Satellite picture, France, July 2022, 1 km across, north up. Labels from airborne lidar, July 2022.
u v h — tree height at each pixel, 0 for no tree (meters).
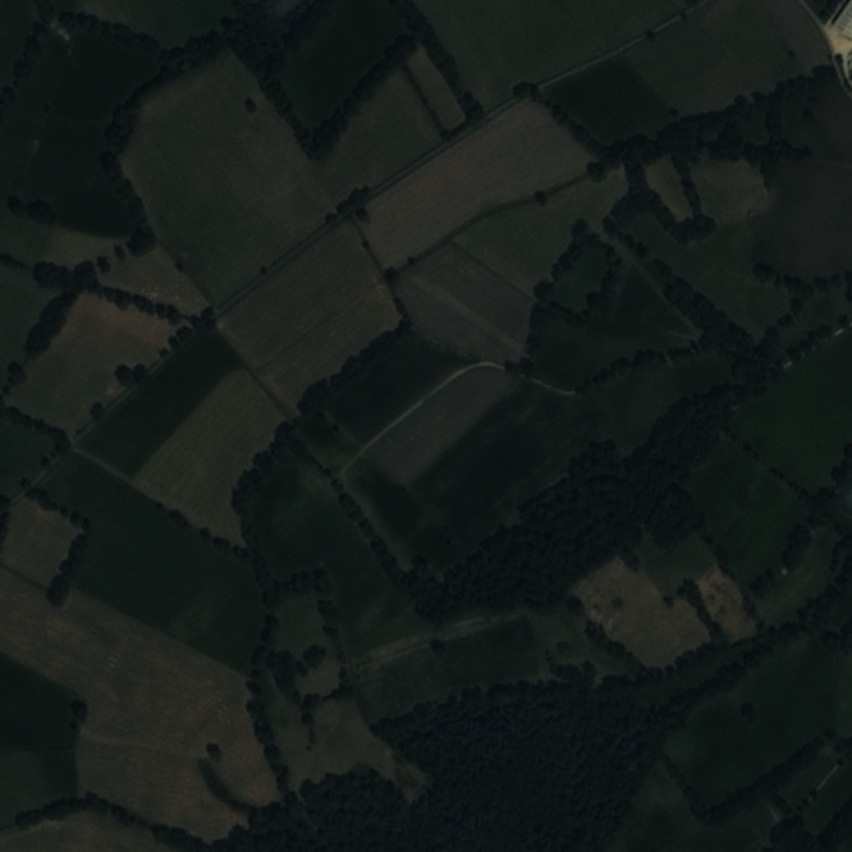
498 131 0
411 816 13
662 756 10
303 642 0
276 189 0
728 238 0
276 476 0
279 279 0
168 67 20
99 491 0
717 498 0
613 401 0
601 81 0
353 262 0
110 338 0
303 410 20
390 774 0
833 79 20
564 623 0
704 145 27
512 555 19
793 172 0
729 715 0
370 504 0
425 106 6
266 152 0
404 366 0
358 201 14
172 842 19
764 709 0
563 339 0
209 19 0
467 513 0
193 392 0
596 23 0
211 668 0
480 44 0
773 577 16
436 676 0
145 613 0
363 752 0
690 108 0
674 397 0
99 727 0
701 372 0
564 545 21
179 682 0
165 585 0
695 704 12
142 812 0
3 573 0
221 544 13
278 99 19
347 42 0
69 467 0
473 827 22
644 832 0
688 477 23
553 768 17
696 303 20
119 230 0
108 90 0
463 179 0
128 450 0
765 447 0
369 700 0
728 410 21
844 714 0
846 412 0
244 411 0
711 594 0
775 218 0
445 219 0
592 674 14
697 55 0
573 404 0
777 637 15
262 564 19
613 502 23
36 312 0
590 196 0
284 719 0
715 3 0
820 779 0
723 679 18
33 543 0
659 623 0
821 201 0
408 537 0
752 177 0
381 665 0
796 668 0
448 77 10
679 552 0
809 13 0
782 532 0
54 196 0
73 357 0
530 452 0
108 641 0
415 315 0
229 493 0
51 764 0
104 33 14
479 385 0
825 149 0
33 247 0
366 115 0
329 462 0
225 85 0
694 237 18
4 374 0
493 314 0
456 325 0
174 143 0
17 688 0
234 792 0
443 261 0
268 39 9
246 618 0
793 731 0
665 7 0
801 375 0
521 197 0
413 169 0
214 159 0
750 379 22
